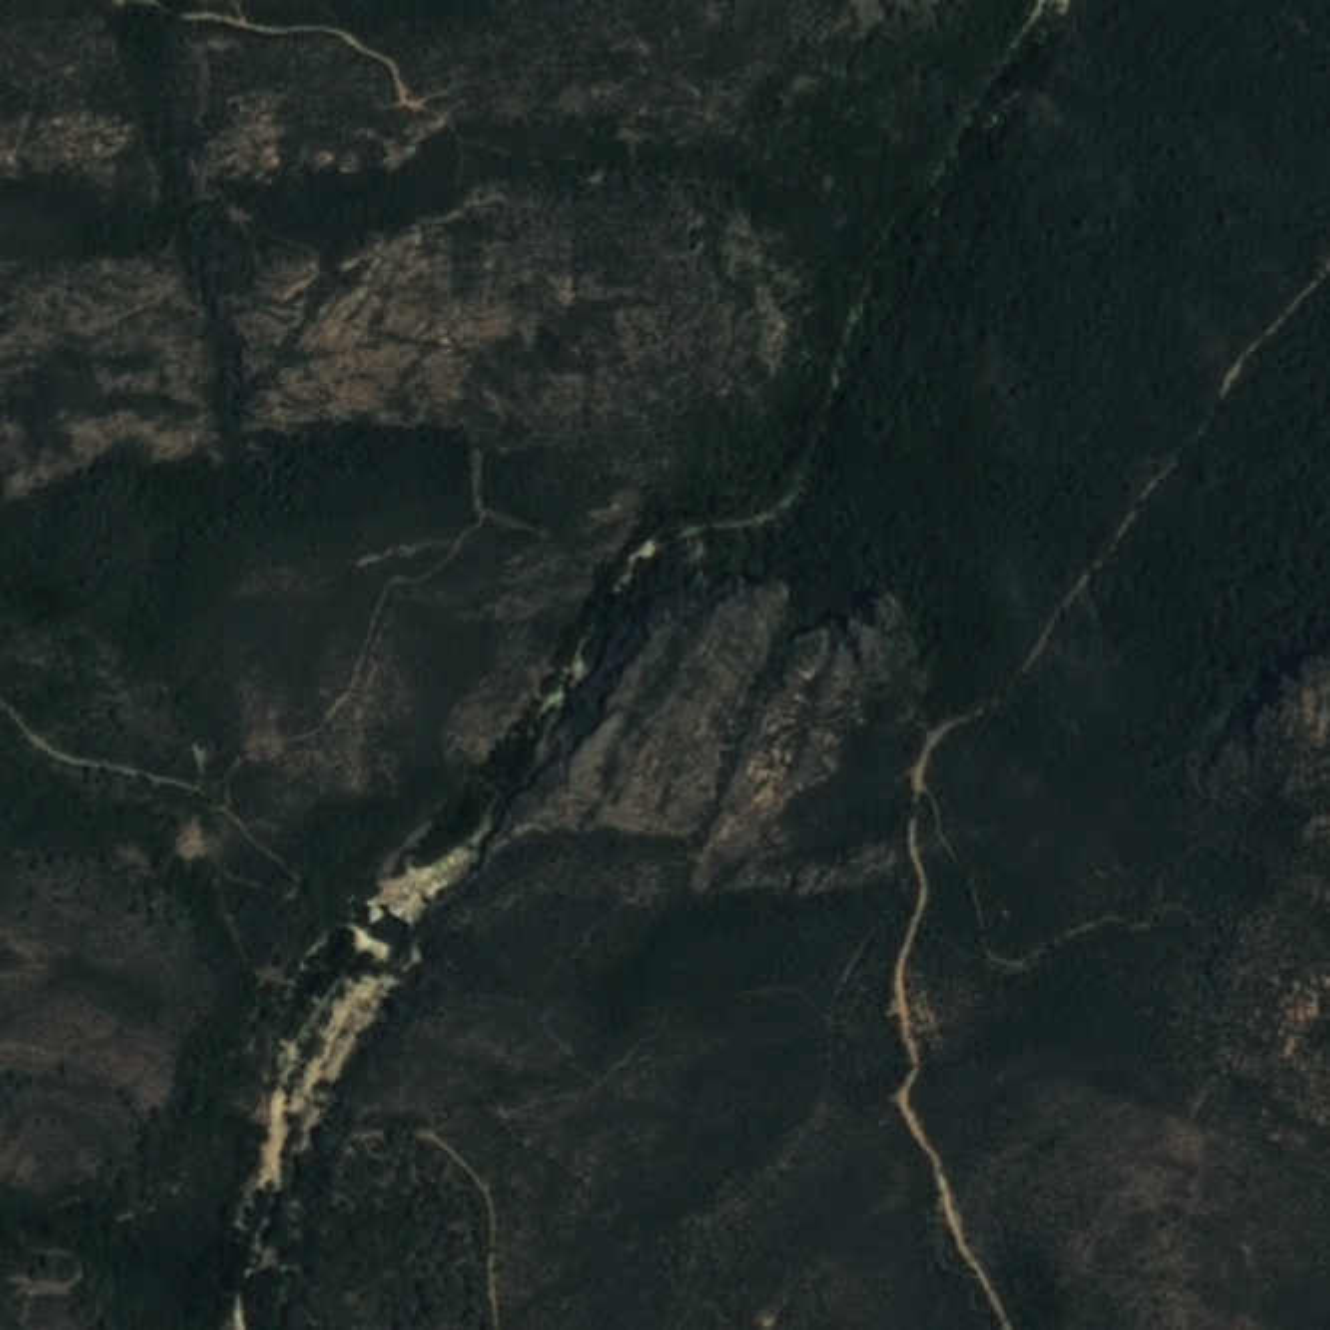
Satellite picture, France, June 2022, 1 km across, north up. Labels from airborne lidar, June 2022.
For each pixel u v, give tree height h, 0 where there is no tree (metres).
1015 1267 7
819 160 9
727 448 9
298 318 0
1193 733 9
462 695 0
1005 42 14
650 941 6
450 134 7
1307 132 7
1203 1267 0
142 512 8
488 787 10
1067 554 8
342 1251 10
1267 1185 0
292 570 0
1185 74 6
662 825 0
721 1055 0
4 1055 0
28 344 0
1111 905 6
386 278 0
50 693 8
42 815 7
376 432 11
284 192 7
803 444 18
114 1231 10
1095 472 9
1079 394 6
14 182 6
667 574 10
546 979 0
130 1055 0
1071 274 8
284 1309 9
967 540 6
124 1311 7
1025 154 7
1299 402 10
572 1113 0
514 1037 0
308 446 7
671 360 9
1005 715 8
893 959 6
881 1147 0
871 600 13
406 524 0
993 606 8
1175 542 10
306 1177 15
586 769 0
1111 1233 0
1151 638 8
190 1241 9
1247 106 7
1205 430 7
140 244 7
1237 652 7
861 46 7
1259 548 9
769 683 9
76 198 7
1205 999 6
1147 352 7
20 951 0
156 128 9
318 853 8
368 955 11
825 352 14
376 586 0
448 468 7
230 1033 8
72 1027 0
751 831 0
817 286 6
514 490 7
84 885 5
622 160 10
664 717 0
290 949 6
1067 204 6
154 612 6
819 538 14
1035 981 8
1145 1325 0
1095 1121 0
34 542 8
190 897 8
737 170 9
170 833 6
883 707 8
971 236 8
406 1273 9
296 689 0
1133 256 11
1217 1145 0
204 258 5
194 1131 9
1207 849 7
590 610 19
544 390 0
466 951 7
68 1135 0
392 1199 8
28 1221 10
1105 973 7
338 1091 8
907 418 12
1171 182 8
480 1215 8
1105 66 7
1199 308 6
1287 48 7
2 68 0
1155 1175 0
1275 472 10
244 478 9
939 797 6
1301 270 8
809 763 0
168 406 7
